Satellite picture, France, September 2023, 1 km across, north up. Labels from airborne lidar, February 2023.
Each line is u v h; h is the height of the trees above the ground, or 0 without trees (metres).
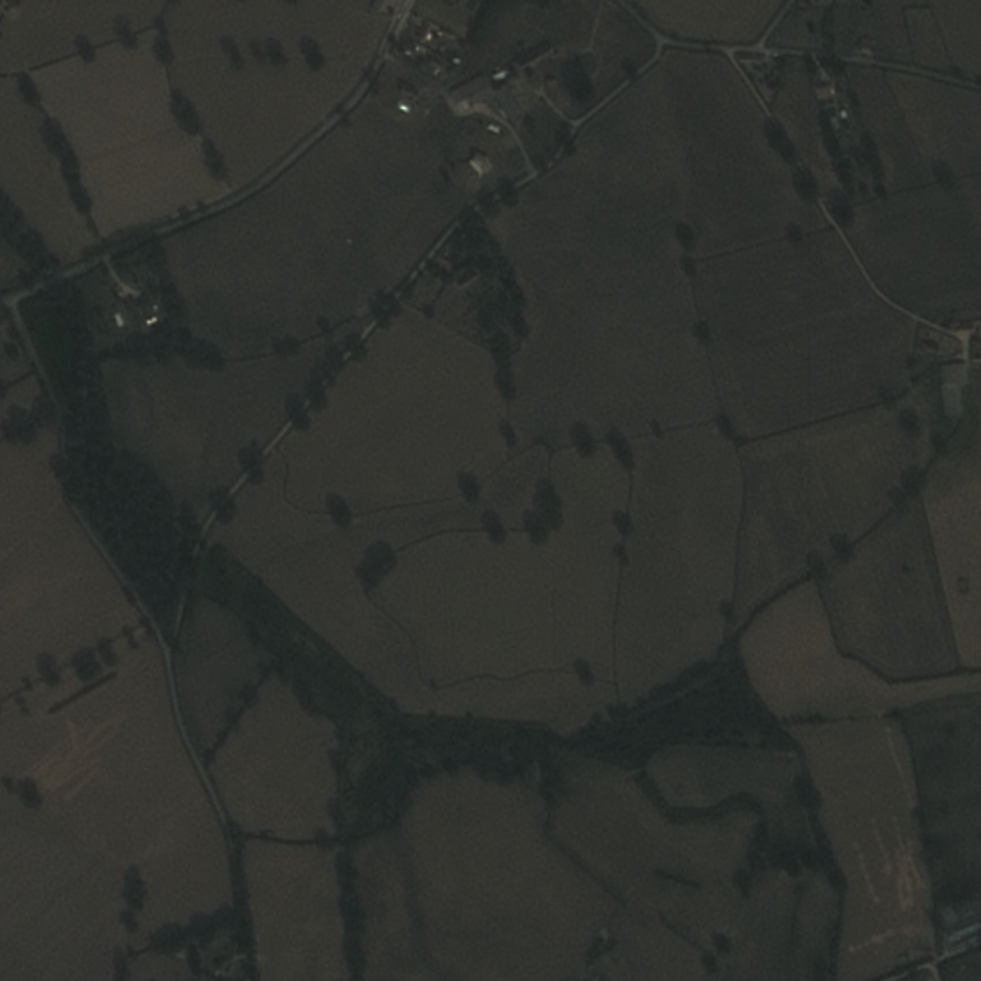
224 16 0
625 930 0
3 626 0
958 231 0
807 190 21
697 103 0
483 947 0
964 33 0
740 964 0
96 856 0
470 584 0
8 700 0
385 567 12
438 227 0
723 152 0
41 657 0
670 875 0
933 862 19
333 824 21
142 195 0
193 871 0
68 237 0
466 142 0
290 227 0
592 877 0
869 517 0
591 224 0
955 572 0
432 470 0
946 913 0
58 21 0
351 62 0
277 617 0
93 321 0
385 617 0
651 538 0
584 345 0
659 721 7
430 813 0
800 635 0
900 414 0
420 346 0
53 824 0
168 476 0
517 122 0
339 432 0
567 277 0
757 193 0
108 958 0
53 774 0
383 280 0
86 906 0
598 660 0
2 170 0
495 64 0
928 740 0
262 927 0
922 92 0
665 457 0
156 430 0
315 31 0
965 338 0
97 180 0
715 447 0
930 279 0
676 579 0
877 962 0
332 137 0
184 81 0
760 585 0
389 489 0
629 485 0
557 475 0
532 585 0
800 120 0
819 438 0
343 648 0
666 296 0
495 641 0
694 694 8
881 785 0
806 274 0
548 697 0
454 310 0
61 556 0
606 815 0
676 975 0
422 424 0
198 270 0
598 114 0
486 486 0
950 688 0
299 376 0
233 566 0
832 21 6
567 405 0
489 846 0
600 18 0
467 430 0
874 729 0
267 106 0
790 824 0
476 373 0
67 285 15
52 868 0
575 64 12
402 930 0
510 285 15
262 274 0
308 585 0
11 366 0
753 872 7
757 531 0
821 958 0
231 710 0
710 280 0
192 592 20
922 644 0
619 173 0
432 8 0
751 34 0
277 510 0
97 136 0
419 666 0
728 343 0
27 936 0
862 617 0
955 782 0
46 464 0
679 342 0
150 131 0
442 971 0
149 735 0
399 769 0
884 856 0
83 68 0
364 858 0
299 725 0
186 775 0
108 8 0
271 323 0
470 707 0
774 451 0
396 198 0
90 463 16
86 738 0
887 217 0
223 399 0
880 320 0
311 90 0
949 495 0
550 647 0
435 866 0
